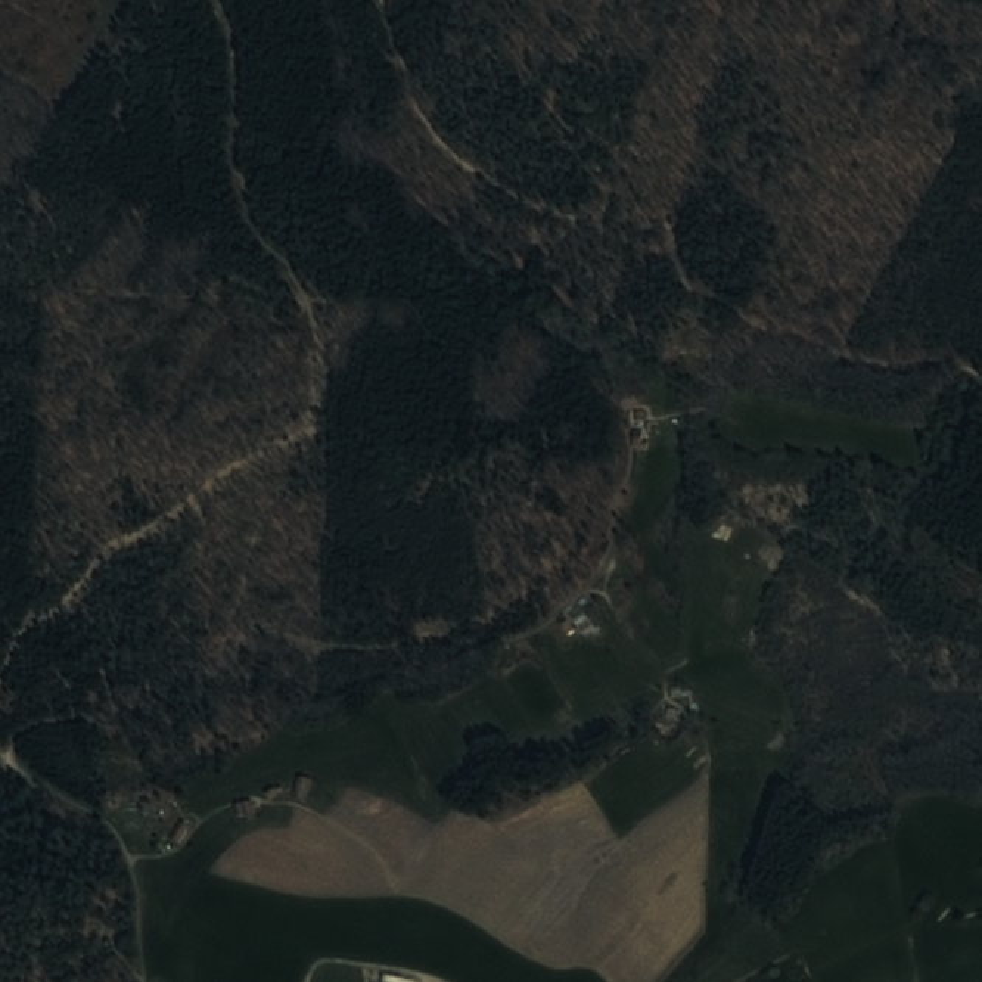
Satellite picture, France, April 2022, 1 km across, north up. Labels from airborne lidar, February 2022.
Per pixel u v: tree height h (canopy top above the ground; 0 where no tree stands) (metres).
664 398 0
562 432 25
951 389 28
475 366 25
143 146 25
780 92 21
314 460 16
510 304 31
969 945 0
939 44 26
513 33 21
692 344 0
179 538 21
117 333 23
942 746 26
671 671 0
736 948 0
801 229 20
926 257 18
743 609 0
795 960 0
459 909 0
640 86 24
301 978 0
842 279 30
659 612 0
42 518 15
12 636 7
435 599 14
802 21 27
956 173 16
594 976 0
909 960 0
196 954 0
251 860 0
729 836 0
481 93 27
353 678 16
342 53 27
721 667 0
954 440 10
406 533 14
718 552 0
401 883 0
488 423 19
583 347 15
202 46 28
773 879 27
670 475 0
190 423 23
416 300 27
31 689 15
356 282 26
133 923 29
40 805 8
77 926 15
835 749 24
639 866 0
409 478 11
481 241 27
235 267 28
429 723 0
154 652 27
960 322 16
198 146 28
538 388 22
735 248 22
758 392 25
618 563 0
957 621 10
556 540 23
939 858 0
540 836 0
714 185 26
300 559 22
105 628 31
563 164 23
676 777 0
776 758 0
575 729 0
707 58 24
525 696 0
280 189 26
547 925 0
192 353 27
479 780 28
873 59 26
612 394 13
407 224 28
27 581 10
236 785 0
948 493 24
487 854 0
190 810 0
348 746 0
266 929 0
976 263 15
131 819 0
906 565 14
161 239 25
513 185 22
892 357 16
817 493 17
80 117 22
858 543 13
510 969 0
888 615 7
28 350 18
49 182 28
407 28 19
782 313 24
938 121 24
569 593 26
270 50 26
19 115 28
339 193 28
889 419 23
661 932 0
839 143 19
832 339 31
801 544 17
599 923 0
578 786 20
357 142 32
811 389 26
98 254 25
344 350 18
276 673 27
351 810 0
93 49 0
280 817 0
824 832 27
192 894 0
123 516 24
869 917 0
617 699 0
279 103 24
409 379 27
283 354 27
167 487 23
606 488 24
